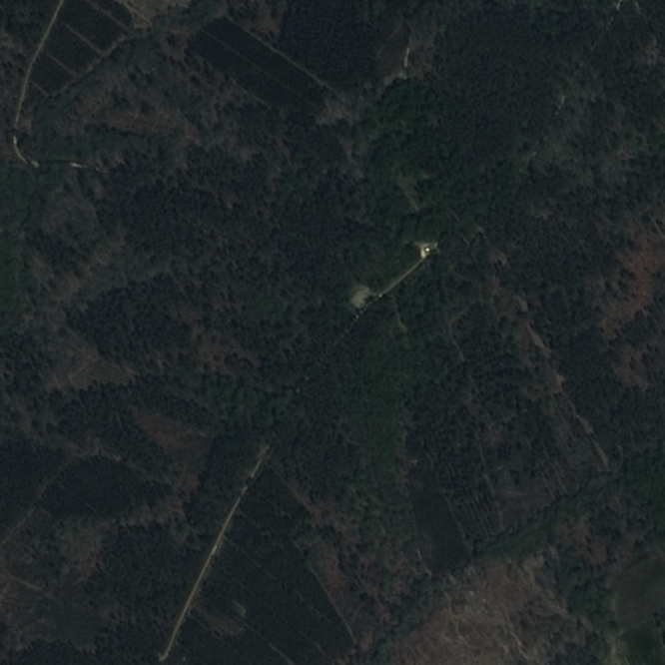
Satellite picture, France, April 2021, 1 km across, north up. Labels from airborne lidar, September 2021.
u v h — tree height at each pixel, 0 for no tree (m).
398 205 20
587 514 16
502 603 0
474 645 0
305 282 21
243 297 19
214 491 24
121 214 18
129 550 25
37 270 16
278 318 16
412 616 18
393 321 28
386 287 19
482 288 6
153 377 16
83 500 14
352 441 19
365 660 19
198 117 16
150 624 21
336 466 27
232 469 24
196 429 22
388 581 18
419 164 26
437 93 28
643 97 24
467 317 19
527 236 24
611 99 24
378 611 15
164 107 16
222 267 17
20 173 14
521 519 8
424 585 20
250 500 10
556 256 23
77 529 13
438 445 12
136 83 20
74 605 7
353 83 19
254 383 7
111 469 13
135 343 23
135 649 21
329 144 23
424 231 15
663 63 17
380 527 17
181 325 8
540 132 21
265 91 10
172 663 9
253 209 23
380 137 13
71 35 9
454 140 28
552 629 13
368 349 22
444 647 0
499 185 25
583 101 14
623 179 18
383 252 16
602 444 16
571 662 18
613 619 15
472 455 22
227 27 11
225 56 9
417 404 22
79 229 14
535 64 22
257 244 20
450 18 14
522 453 18
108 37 10
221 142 18
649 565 0
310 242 20
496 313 9
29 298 14
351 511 16
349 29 19
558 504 18
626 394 23
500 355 19
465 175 29
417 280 6
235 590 9
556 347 23
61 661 23
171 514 13
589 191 18
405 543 18
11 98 7
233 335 18
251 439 24
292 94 10
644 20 9
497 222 24
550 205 18
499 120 28
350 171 14
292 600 17
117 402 18
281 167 19
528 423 18
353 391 28
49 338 13
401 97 15
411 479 10
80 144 15
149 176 19
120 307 22
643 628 0
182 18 6
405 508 23
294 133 22
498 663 0
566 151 18
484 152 25
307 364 20
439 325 24
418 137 22
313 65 17
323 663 14
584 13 21
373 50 19
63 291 17
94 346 18
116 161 17
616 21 20
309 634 11
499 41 23
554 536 15
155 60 19
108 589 26
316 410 27
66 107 13
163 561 23
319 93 11
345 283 18
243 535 9
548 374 15
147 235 23
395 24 18
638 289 6
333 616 11
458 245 18
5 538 12
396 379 21
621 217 26
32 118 16
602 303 17
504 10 17
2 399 19
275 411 15
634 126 26
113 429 21
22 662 23
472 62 27
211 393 22
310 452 24
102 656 13
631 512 18
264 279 25
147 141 14
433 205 16
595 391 27
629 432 21
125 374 7
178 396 16
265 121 24
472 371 21
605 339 21
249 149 20
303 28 15
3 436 20
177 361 24
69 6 8
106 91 13
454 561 16
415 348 16
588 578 17
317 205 13
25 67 20
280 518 11
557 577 16
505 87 26
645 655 0
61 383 13
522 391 7
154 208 23
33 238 21
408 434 9
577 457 17
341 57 15
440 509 13
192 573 22
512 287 23
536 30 8
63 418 23
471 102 27
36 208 21
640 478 29
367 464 22
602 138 19
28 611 6
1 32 16
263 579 16
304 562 14
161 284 10
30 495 21
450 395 23
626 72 25
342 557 26
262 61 10
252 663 14
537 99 22
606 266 24
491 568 15
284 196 20
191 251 28
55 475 19
